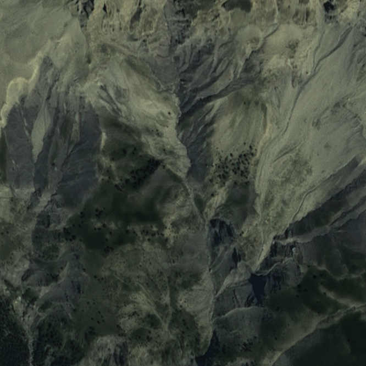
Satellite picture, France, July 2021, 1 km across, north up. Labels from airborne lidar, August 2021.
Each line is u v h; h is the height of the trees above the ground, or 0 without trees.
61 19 0
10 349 14
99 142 0
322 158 0
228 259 0
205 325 0
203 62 0
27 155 0
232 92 0
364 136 0
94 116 0
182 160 0
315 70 0
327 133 0
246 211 0
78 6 0
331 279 0
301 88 0
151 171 7
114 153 0
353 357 0
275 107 0
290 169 0
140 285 0
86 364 0
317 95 0
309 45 0
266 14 0
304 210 0
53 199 0
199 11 0
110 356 0
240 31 0
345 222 0
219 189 0
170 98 0
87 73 0
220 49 0
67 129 0
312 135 0
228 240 0
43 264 0
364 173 0
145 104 0
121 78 0
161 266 0
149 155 0
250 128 0
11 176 0
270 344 0
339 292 0
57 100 0
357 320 0
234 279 0
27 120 0
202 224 0
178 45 0
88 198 0
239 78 0
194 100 0
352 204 0
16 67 0
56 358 10
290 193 0
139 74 0
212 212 0
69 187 0
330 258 0
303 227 0
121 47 0
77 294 0
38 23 0
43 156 0
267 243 0
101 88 0
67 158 0
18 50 0
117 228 0
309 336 0
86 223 0
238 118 0
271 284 0
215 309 0
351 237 0
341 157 0
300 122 0
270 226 0
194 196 0
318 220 0
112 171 0
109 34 0
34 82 0
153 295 0
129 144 0
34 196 0
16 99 0
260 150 0
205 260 0
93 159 0
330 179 0
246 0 0
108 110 0
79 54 0
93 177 0
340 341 0
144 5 0
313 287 0
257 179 0
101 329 0
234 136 0
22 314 0
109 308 0
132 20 0
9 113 0
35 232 0
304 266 0
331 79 0
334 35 0
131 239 0
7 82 0
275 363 0
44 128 0
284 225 0
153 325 10
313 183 0
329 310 0
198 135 0
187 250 0
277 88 0
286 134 0
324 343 0
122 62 0
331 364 0
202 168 0
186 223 0
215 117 0
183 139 0
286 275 0
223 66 0
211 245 0
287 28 0
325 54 0
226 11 0
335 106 0
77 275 0
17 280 0
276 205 0
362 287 0
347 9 0
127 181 9
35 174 0
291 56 0
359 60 0
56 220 0
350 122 0
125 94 0
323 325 0
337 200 0
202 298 0
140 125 0
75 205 0
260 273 0
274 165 0
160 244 0
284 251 0
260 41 0
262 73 0
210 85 0
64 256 0
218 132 0
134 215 0
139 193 0
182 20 0
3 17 0
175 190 0
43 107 0
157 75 0
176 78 0
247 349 6
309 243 0
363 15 0
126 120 0
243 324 0
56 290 0
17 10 0
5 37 0
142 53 0
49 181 0
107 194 0
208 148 0
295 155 0
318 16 0
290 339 0
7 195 0
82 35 0
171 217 0
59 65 0
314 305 0
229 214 0
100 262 0
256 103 0
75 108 0
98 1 0
